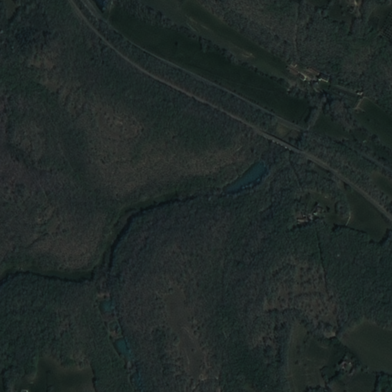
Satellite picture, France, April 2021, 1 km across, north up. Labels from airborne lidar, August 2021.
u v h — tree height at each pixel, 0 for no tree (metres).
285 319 14
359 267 20
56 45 16
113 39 20
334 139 0
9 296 23
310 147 16
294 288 13
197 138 15
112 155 7
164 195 14
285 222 14
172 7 0
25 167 6
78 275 0
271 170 24
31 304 16
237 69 0
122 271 15
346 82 11
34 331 17
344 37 23
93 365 15
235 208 16
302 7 21
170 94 17
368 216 0
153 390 13
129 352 20
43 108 21
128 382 22
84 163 13
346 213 21
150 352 11
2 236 16
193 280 14
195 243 16
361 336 0
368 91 19
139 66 17
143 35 0
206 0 14
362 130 13
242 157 12
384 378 16
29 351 21
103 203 24
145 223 16
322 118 0
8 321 17
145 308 13
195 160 13
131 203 17
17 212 20
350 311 17
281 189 11
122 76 14
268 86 0
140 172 12
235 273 12
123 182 10
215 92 16
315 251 17
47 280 15
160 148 12
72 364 11
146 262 13
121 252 20
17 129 13
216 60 0
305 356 0
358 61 18
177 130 12
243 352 15
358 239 21
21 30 13
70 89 7
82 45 21
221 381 14
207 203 22
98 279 10
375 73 19
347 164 11
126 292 10
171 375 12
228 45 0
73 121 10
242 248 15
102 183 11
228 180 19
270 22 11
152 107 15
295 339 0
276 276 14
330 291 16
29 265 19
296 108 0
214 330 15
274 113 8
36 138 14
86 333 15
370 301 22
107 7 27
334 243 21
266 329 13
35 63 12
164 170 9
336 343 9
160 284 10
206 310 14
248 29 18
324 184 19
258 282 13
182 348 0
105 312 0
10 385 19
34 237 14
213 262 14
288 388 17
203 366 5
